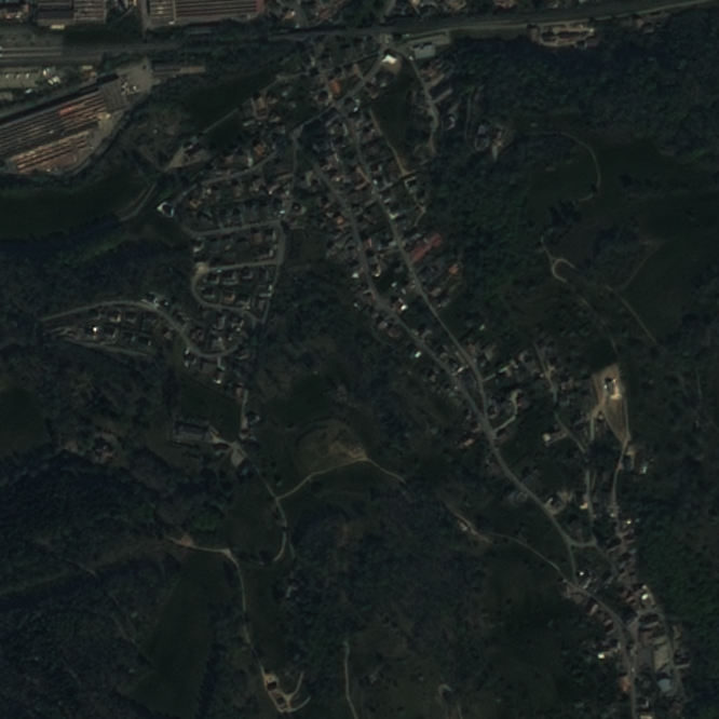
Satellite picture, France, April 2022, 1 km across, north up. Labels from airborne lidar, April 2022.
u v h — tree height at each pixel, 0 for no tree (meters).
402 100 0
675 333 0
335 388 20
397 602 16
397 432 26
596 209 0
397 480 0
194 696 0
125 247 0
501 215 18
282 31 7
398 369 20
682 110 18
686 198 0
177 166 0
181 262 6
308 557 27
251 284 8
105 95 0
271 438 0
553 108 18
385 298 0
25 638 28
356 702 0
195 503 30
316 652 15
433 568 24
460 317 7
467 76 16
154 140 6
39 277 37
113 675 26
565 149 13
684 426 18
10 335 22
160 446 0
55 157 0
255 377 14
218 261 8
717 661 22
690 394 0
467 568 27
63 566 16
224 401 0
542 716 11
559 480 0
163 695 0
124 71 0
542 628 0
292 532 7
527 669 0
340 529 18
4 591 15
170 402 21
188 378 0
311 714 0
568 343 0
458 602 26
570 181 0
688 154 18
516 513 0
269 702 0
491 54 15
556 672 0
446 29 0
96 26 9
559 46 0
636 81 35
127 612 25
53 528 21
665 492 0
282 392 15
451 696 10
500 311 16
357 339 13
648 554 20
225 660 28
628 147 0
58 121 0
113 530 27
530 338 8
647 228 0
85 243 26
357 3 16
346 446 0
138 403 15
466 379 0
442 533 23
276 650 0
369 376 20
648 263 0
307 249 0
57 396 27
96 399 15
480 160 14
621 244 17
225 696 19
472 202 13
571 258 0
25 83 0
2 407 0
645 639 0
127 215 0
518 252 15
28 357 21
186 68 0
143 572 22
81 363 9
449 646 28
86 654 26
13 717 21
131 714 28
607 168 0
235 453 0
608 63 21
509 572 0
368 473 0
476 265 12
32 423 0
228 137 0
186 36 10
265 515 0
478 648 20
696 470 16
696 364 14
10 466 0
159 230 0
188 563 0
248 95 0
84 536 19
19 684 22
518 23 0
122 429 0
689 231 0
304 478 0
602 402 0
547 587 0
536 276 0
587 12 0
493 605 0
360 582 21
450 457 9
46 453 14
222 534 8
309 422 0
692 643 15
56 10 0
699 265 0
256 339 13
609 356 0
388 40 0
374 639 0
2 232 0
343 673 11
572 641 0
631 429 0
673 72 24
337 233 0
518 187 14
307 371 20
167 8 0
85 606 14
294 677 0
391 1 0
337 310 6
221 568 0
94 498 27
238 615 18
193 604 0
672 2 0
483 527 22
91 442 8
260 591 0
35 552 32
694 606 18
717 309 0
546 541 0
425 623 19
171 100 13
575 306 7
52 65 0
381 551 24
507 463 0
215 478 29
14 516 23
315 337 13
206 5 0
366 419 0
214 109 0
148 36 10
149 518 26
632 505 10
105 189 0
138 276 27
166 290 0
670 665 0
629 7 0
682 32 9
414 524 20
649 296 0
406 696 0
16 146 0
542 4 12
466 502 8
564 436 0
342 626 9
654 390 14
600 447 6
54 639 24
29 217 0
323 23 0
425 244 0
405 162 0
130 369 9
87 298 21
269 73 0
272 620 0
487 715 0
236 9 0
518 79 29
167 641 0
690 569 20
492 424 7
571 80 26
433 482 0
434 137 0
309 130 12
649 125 16
